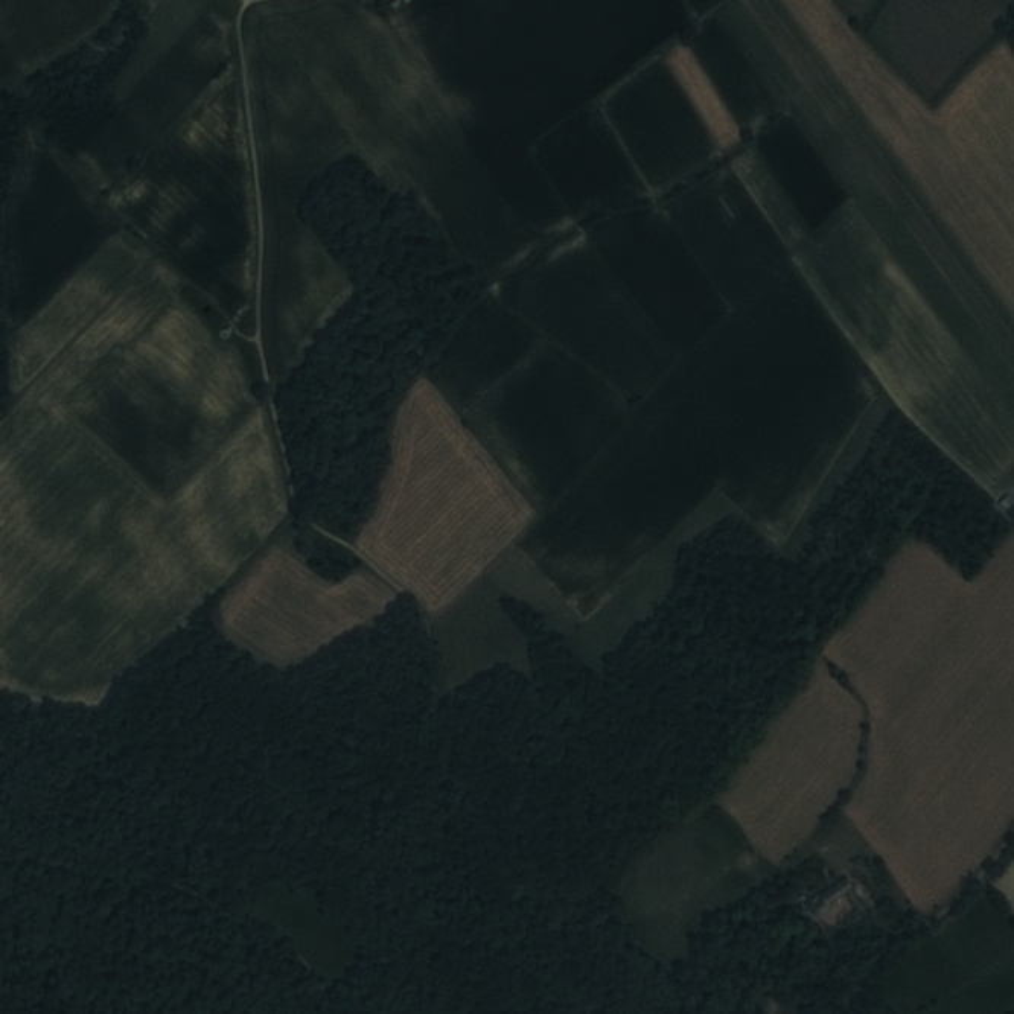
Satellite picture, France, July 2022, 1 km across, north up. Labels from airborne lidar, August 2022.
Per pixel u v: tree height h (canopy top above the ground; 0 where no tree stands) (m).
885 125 0
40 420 0
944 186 0
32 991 23
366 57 0
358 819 21
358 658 22
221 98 0
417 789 20
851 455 0
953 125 0
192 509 0
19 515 0
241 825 23
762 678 20
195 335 0
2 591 0
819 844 0
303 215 17
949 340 0
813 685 0
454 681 0
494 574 0
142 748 21
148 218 0
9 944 28
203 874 27
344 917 21
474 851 23
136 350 0
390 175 0
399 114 0
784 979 29
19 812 26
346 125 0
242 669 17
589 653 0
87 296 0
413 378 23
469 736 26
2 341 9
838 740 0
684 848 0
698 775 30
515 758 23
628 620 0
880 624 0
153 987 21
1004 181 0
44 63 0
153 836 15
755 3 0
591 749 25
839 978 21
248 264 0
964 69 0
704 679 20
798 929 28
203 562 0
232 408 0
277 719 18
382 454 27
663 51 0
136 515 0
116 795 22
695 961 8
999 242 0
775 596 27
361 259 24
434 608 0
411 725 15
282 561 0
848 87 0
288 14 0
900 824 0
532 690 22
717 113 0
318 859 23
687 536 0
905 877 0
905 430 12
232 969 22
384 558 0
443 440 0
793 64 0
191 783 24
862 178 0
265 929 11
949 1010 0
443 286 16
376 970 22
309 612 0
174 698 18
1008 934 0
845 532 5
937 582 0
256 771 22
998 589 0
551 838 28
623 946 23
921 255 0
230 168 0
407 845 24
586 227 11
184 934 22
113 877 18
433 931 30
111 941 25
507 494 0
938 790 0
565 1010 23
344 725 7
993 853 0
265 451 0
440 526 0
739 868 0
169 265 0
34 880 19
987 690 0
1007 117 0
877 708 0
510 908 29
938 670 0
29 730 18
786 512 0
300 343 0
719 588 19
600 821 26
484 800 23
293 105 0
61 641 0
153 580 0
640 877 0
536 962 23
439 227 17
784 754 0
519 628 12
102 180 0
